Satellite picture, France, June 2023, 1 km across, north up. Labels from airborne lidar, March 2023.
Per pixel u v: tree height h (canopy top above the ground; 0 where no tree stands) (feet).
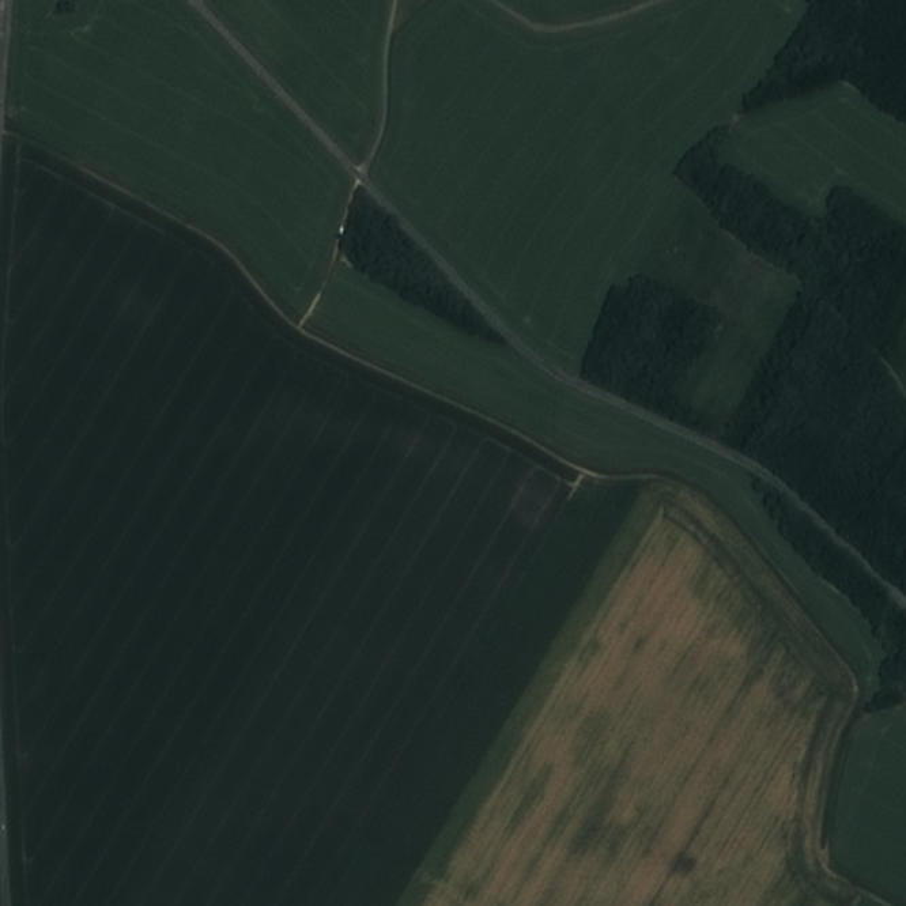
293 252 0
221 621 0
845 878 0
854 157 0
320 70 0
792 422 74
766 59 0
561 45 0
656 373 62
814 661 0
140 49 0
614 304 53
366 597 0
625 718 0
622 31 0
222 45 0
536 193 0
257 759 0
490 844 0
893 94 51
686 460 0
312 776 0
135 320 0
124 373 0
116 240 0
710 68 0
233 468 0
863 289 52
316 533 0
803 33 52
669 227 0
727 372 0
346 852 0
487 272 0
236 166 0
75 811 0
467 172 0
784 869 0
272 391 0
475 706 0
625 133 0
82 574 0
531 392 0
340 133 0
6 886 0
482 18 0
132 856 0
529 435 0
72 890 0
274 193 0
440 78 0
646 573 0
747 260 0
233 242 0
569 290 0
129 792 0
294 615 0
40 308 0
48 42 0
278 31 0
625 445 0
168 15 0
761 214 62
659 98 0
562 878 0
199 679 0
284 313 0
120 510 0
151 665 0
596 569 0
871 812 0
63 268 0
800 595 0
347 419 0
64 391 0
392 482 0
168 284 0
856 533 52
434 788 0
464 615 0
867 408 72
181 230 0
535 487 0
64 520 0
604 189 0
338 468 0
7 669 0
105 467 0
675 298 54
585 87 0
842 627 0
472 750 0
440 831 0
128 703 0
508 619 0
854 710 0
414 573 0
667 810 0
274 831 0
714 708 0
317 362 0
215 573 0
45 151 0
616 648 0
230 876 0
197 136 0
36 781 0
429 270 47
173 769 0
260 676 0
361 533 0
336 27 0
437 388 0
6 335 0
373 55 0
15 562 0
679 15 0
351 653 0
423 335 0
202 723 0
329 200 0
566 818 0
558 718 0
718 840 0
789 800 0
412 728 0
